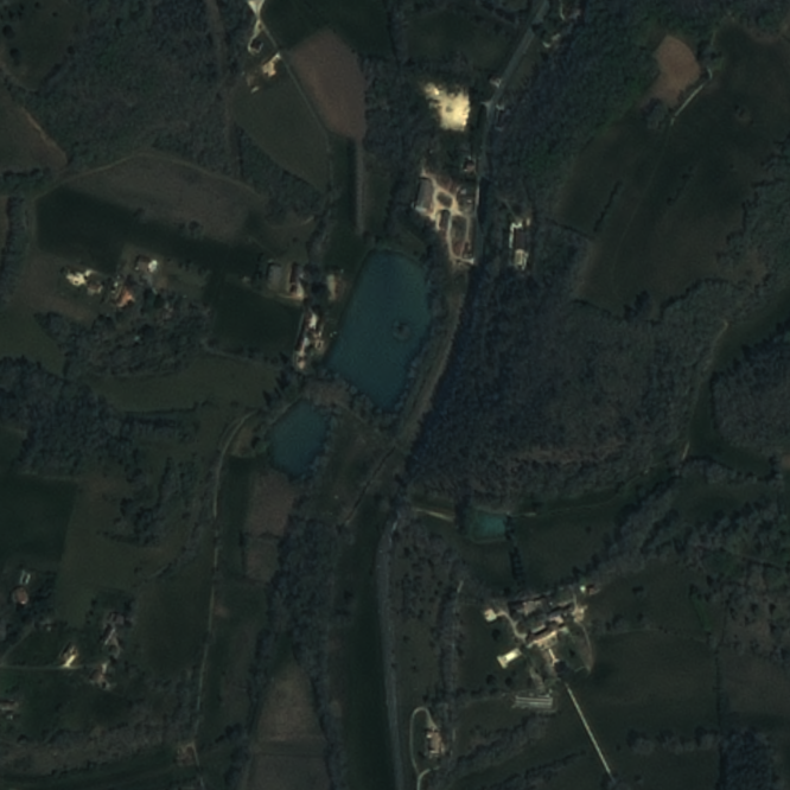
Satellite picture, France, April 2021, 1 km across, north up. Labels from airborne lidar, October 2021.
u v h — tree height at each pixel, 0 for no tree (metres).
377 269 0
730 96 0
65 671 0
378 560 0
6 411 25
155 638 0
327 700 18
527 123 12
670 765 0
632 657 0
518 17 7
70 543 0
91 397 23
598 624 9
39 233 0
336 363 0
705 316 21
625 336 16
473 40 0
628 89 24
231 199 0
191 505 14
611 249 0
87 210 0
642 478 7
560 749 0
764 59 0
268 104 0
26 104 16
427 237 19
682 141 0
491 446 25
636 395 18
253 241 0
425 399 0
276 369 12
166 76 12
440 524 0
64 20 0
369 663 0
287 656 0
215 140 14
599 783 0
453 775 11
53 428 24
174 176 0
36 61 0
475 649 0
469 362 27
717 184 0
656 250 0
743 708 0
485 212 18
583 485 15
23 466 18
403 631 0
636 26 23
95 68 20
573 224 0
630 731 0
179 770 0
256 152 14
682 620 0
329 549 23
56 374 0
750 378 13
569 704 0
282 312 0
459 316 0
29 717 0
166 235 0
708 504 0
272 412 14
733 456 0
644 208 0
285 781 0
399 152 15
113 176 0
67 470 11
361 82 0
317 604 31
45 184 17
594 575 15
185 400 0
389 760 0
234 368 0
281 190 13
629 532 21
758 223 16
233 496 0
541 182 18
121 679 0
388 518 0
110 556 0
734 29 0
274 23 0
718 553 15
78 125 18
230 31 8
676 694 0
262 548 0
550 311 17
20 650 0
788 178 18
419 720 0
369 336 0
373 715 0
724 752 19
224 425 0
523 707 0
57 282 0
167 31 22
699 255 0
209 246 0
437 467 27
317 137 0
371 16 0
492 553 0
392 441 19
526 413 17
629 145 0
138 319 13
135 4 25
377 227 0
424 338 0
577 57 18
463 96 0
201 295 0
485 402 21
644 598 8
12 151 0
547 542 0
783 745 0
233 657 0
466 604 10
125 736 19
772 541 23
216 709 0
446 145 9
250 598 0
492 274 22
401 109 12
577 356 18
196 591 0
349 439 0
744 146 0
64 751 19
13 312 0
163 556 0
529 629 10
